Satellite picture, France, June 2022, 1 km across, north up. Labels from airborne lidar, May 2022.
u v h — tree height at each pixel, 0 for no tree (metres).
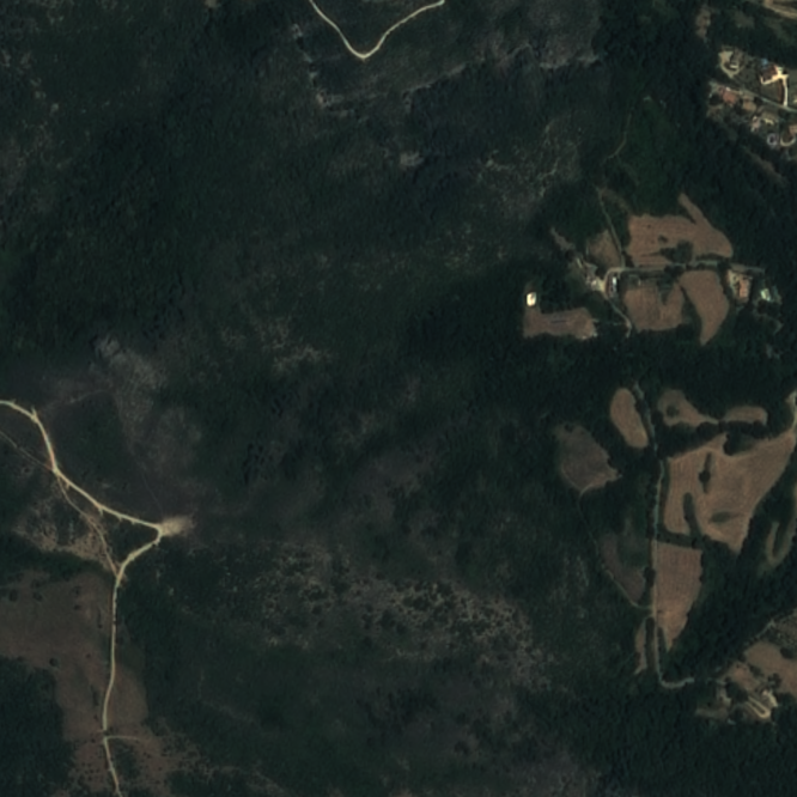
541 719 6
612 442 11
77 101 8
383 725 6
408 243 7
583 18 6
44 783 6
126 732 0
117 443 0
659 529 8
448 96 7
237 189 6
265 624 7
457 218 6
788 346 17
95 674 0
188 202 7
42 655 0
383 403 7
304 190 6
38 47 8
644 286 0
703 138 19
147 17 7
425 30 6
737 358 20
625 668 7
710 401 12
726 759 16
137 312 18
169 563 5
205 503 0
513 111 6
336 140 7
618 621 7
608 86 10
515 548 6
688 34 16
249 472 8
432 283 6
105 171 10
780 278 16
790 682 0
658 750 14
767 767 17
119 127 17
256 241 6
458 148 8
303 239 7
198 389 9
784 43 10
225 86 7
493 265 6
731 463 0
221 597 6
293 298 6
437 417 7
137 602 7
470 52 9
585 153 10
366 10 5
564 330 0
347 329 9
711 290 0
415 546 0
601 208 11
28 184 7
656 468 14
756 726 9
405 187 10
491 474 7
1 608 0
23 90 6
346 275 7
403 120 8
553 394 17
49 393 0
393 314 7
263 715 6
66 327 10
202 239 6
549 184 8
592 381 13
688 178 11
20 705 8
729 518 0
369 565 0
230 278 5
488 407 6
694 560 0
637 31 10
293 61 8
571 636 6
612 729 17
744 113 6
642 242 0
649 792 8
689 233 0
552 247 8
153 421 0
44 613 0
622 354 15
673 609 0
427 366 6
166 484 0
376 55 6
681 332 12
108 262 16
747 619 19
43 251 16
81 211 12
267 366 6
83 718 0
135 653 0
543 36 6
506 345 13
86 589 0
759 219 19
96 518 0
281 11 12
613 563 0
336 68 6
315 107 8
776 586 18
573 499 10
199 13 14
